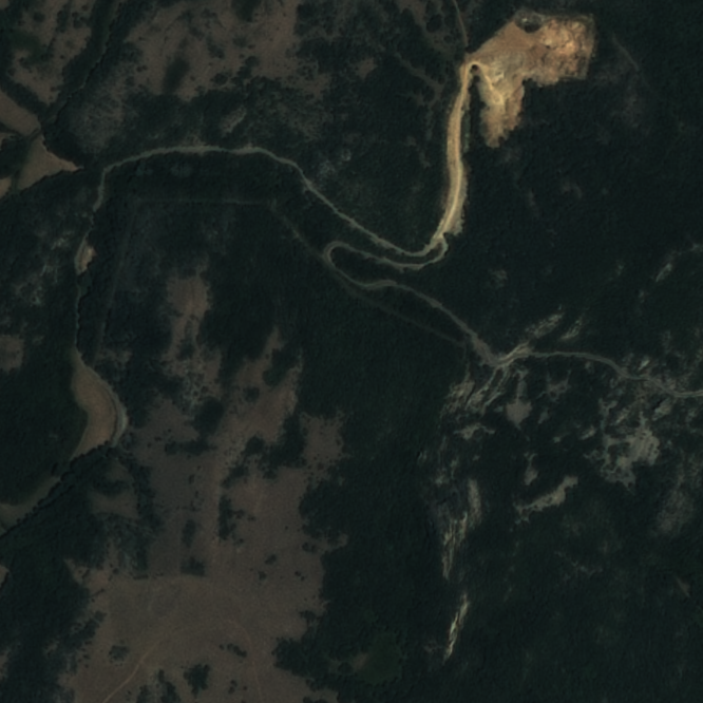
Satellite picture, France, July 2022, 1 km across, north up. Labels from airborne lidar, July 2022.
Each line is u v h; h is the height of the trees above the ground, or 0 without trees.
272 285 11
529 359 14
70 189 10
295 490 0
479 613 13
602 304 16
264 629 0
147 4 6
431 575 8
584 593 8
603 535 7
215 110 6
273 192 10
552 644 8
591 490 8
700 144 7
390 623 12
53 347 14
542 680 14
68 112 8
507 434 17
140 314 10
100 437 0
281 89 6
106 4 11
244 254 9
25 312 6
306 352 8
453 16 9
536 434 12
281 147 7
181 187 9
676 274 13
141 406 7
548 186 7
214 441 0
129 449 6
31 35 0
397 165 6
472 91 13
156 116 11
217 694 0
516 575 7
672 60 7
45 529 11
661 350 7
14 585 8
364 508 8
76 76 9
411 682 7
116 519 6
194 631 0
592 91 6
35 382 12
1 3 0
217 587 0
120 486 8
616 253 6
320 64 7
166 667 0
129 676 0
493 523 11
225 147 12
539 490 9
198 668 7
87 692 0
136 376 15
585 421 7
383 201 8
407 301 14
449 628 8
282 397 0
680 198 9
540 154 8
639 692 8
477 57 0
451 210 0
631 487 8
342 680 9
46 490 0
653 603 7
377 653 0
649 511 7
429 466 8
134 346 11
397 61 11
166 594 0
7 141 10
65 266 8
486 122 0
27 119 0
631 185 10
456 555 9
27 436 16
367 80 8
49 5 0
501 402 9
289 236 13
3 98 0
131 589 0
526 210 9
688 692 15
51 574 7
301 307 8
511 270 8
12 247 10
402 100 10
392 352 10
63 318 14
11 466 15
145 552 6
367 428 8
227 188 5
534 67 0
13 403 10
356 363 11
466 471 7
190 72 0
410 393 9
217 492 0
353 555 10
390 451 8
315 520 7
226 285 9
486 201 9
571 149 8
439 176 13
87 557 7
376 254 8
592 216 7
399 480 9
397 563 9
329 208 6
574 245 9
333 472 6
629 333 8
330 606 5
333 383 10
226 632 0
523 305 8
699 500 10
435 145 7
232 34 0
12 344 0
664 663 11
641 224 7
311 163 7
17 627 6
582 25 0
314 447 0
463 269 6
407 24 6
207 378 0
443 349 10
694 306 7
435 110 8
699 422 8
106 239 11
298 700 0
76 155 12
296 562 0
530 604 12
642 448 0
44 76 0
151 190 6
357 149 7
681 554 12
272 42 0
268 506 0
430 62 6
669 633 10
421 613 10
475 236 8
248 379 0
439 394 15
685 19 7
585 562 14
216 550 0
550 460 15
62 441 12
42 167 0
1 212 9
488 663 18
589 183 8
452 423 6
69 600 7
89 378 0
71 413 23
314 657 9
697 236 6
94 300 14
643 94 6
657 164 7
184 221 10
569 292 8
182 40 0
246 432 0
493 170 8
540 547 5
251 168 9
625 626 7
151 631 0
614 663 8
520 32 0
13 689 8
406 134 8
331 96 6
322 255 0
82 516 8
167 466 0
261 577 6
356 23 8
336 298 9
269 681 0
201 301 0
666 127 7
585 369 8
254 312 10
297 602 0
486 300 6
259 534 0
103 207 11
